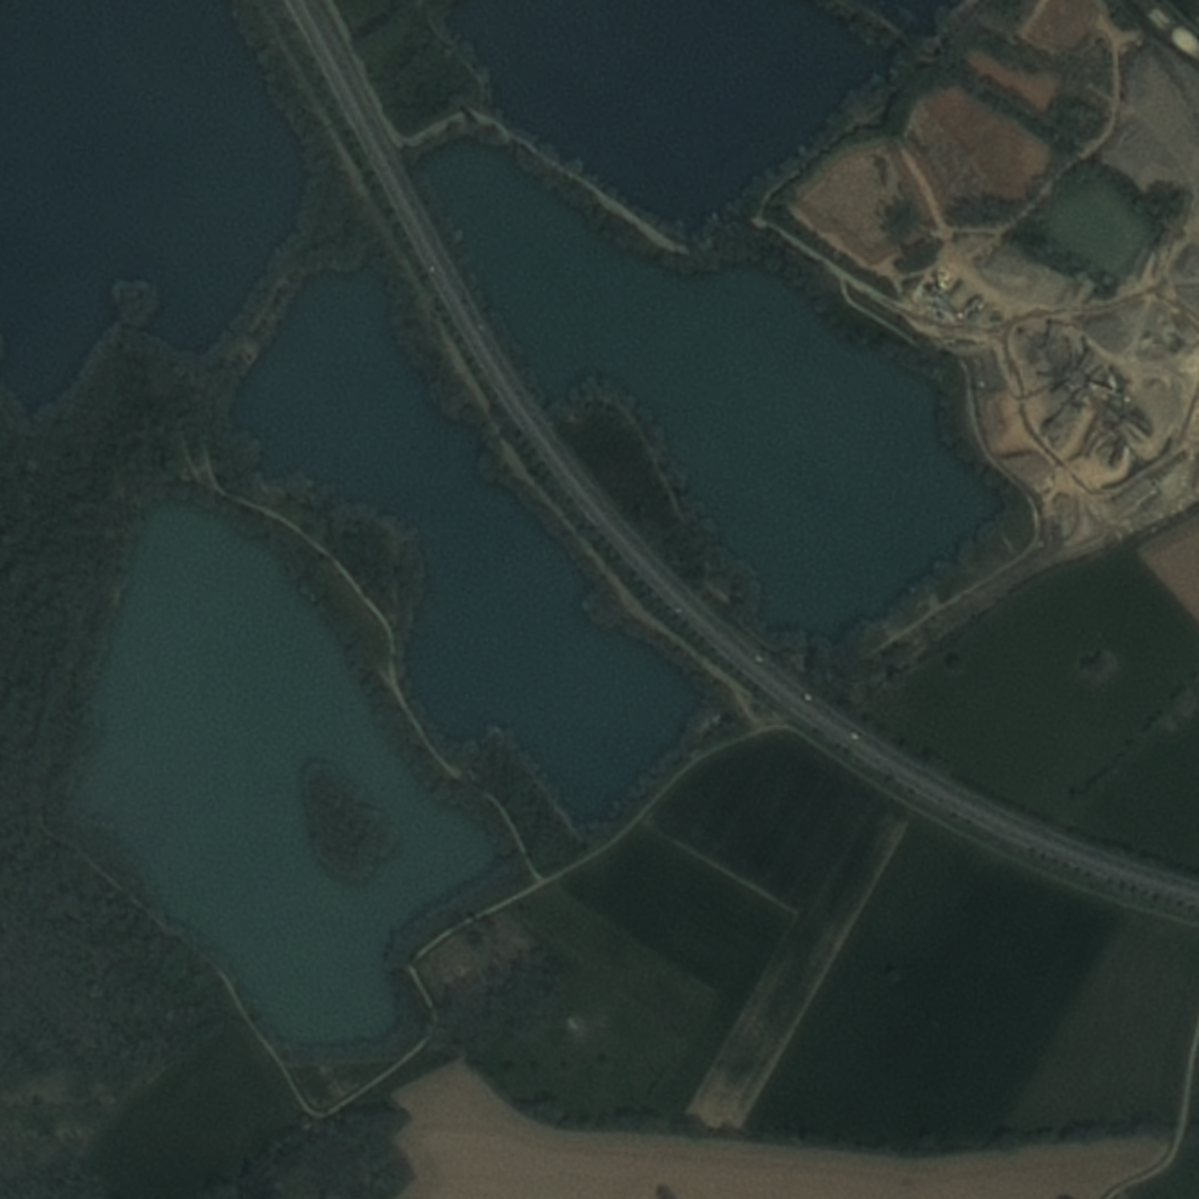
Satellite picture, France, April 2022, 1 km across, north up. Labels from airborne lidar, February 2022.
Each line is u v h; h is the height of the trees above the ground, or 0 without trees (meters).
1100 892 0
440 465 0
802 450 0
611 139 0
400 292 12
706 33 0
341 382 0
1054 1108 0
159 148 0
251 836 0
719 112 0
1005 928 0
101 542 8
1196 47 0
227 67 0
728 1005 0
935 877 0
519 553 0
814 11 0
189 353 14
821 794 0
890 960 0
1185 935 0
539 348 0
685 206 0
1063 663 0
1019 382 0
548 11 0
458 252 14
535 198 0
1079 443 0
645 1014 0
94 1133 0
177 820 0
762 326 0
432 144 8
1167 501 0
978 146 0
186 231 0
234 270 0
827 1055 0
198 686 0
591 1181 0
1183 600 0
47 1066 12
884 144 0
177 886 0
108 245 0
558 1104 17
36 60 0
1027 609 0
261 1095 0
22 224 0
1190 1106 0
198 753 0
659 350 0
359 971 0
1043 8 0
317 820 14
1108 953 0
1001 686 0
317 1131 19
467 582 0
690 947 0
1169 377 0
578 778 0
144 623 0
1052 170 8
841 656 20
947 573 16
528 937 0
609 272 0
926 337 9
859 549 0
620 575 11
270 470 0
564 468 0
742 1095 0
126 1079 0
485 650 0
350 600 0
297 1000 0
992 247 0
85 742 13
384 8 0
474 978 0
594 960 0
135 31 0
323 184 10
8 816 21
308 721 0
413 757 18
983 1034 0
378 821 15
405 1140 0
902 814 0
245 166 0
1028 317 0
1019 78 0
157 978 15
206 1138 0
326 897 0
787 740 0
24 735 20
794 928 0
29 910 5
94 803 0
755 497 0
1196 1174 0
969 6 0
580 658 0
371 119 0
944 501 0
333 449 0
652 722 0
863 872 0
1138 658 0
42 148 0
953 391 12
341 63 0
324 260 15
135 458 13
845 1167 0
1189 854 0
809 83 0
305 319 0
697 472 0
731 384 0
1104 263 0
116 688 0
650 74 0
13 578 18
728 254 21
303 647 0
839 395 0
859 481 0
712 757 0
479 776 12
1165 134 0
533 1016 21
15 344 0
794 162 11
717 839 0
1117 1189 0
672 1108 0
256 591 0
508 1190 0
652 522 18
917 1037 0
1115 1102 0
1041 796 0
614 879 0
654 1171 0
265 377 0
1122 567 0
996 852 0
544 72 0
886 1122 0
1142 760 0
